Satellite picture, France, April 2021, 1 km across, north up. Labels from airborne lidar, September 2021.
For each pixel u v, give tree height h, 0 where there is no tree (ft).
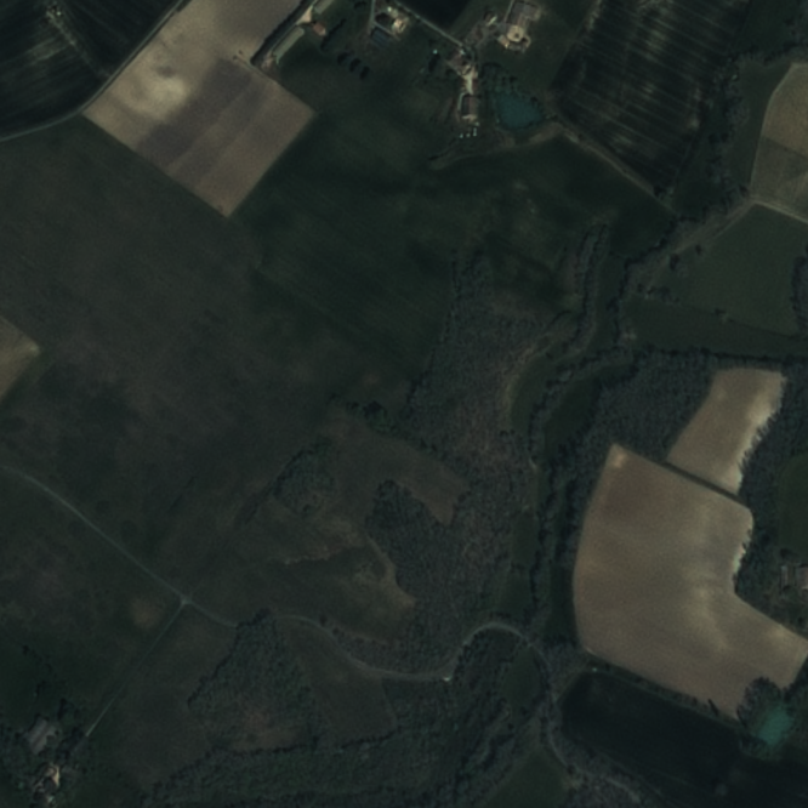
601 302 0
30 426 0
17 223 0
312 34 0
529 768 0
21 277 0
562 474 78
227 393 0
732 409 0
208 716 32
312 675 0
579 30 0
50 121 0
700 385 51
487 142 0
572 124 0
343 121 0
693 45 0
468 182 0
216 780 79
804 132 0
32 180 0
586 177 0
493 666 25
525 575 56
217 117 0
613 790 60
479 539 60
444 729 28
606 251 43
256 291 0
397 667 47
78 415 0
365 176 0
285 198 0
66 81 0
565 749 49
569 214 0
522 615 0
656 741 0
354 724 0
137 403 0
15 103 0
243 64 0
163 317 0
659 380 57
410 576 69
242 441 0
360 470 0
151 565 0
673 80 0
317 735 57
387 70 0
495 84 51
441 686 46
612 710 0
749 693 0
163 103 0
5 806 0
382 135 0
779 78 0
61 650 0
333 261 0
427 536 62
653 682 0
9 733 27
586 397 0
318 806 51
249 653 46
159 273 0
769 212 0
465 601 69
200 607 0
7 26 0
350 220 0
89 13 0
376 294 0
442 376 29
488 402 50
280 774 68
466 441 35
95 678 0
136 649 0
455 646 53
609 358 45
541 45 0
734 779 0
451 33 0
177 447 0
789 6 0
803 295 64
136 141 0
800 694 67
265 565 0
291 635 0
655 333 0
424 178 0
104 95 0
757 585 52
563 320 32
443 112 0
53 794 38
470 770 61
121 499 0
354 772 37
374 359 0
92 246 0
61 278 0
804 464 0
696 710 48
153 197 0
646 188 0
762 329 0
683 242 43
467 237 0
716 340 0
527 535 0
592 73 0
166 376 0
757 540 44
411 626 37
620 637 0
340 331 0
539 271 0
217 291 0
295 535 0
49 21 0
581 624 0
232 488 0
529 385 0
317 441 0
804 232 0
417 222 0
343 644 52
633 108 0
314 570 0
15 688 0
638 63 0
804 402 32
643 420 60
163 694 0
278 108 0
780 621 41
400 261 0
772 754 79
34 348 0
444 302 0
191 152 0
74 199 0
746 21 0
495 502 32
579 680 0
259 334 0
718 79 0
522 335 37
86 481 0
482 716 33
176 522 0
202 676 0
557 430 0
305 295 0
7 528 0
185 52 0
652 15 0
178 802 75
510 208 0
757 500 57
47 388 0
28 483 0
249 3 0
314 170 0
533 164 0
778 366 49
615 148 0
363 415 42
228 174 0
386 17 31
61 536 0
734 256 0
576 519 71
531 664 0
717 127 0
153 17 0
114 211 0
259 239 0
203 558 0
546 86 0
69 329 0
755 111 0
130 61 0
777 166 0
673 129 0
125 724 0
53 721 21
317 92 0
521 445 39
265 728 24
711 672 0
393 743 38
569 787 0
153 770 0
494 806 0
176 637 0
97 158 0
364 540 0
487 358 44
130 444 0
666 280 0
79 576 0
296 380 0
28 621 0
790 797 0
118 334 0
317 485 48
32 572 0
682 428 57
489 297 44
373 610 0
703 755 0
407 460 0
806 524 0
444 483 0
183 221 0
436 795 21
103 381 0
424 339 0
